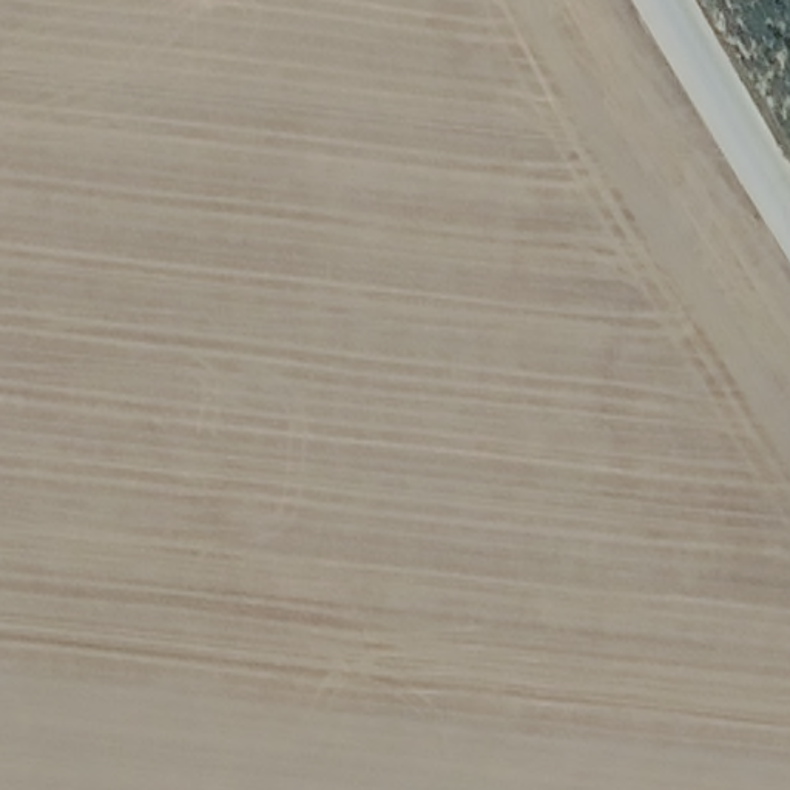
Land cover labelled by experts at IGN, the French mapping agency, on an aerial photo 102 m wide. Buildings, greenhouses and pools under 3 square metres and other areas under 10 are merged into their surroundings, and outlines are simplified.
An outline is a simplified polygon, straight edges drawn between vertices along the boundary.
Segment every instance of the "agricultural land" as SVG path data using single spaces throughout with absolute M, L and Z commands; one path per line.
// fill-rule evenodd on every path
M 775 142 L 790 160 L 790 0 L 697 0 L 713 37 L 731 59 L 756 111 L 762 114 Z

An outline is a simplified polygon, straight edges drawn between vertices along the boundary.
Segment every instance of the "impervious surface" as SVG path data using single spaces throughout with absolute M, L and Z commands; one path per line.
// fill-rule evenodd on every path
M 713 139 L 719 142 L 725 160 L 750 191 L 765 225 L 771 228 L 771 235 L 790 259 L 790 160 L 775 142 L 762 114 L 756 111 L 731 59 L 713 37 L 697 0 L 633 0 L 651 37 L 657 40 L 676 77 L 682 80 L 685 93 L 691 96 L 694 108 L 701 111 L 704 123 L 710 127 Z

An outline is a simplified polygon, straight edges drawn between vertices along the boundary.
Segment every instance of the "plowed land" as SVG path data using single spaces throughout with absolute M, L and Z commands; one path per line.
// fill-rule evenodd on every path
M 657 40 L 651 37 L 633 0 L 0 0 L 0 790 L 790 790 L 790 259 L 771 235 L 771 228 L 765 225 L 750 191 L 725 160 L 719 142 L 713 139 L 710 127 L 704 123 L 701 111 L 694 108 L 691 96 L 685 93 L 682 80 L 676 77 Z

